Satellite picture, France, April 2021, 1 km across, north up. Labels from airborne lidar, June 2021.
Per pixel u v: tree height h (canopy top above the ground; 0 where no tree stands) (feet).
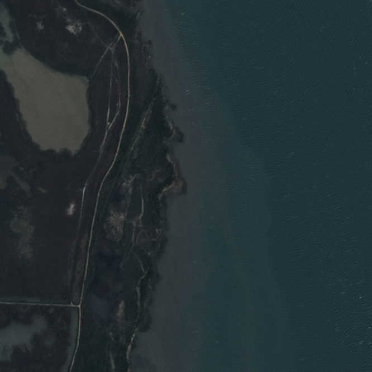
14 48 0
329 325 0
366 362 0
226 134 0
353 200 0
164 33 0
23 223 0
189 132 0
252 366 0
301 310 0
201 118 0
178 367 0
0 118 0
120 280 0
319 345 0
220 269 0
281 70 0
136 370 0
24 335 0
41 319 0
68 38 0
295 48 0
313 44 0
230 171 0
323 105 0
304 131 0
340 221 0
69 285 0
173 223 0
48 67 0
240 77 0
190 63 0
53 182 0
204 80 0
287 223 0
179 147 0
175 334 0
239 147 0
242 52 0
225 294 0
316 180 0
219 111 0
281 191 0
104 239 0
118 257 0
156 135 19
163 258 0
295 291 0
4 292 0
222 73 0
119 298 0
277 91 0
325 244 0
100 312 0
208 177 0
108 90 0
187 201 0
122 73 0
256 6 0
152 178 0
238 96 0
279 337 0
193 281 0
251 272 0
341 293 0
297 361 0
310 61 0
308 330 0
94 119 0
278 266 0
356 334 0
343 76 0
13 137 0
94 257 0
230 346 0
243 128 0
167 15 0
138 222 0
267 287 0
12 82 0
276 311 0
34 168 0
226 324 0
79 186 0
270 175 0
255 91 0
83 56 0
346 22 0
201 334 0
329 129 0
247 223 0
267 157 0
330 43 0
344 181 0
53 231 0
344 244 0
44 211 0
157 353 0
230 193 0
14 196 0
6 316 0
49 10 0
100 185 0
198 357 0
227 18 0
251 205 0
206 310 0
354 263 0
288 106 0
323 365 0
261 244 0
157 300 0
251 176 0
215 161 0
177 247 0
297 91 0
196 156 0
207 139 0
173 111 0
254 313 0
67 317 0
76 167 0
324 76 0
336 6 0
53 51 0
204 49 0
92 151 0
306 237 0
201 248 0
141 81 0
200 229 0
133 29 19
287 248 0
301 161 0
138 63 0
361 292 0
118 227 0
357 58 0
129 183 0
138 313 19
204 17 0
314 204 0
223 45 0
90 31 0
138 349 0
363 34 0
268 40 0
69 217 0
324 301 0
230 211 0
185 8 0
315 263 0
